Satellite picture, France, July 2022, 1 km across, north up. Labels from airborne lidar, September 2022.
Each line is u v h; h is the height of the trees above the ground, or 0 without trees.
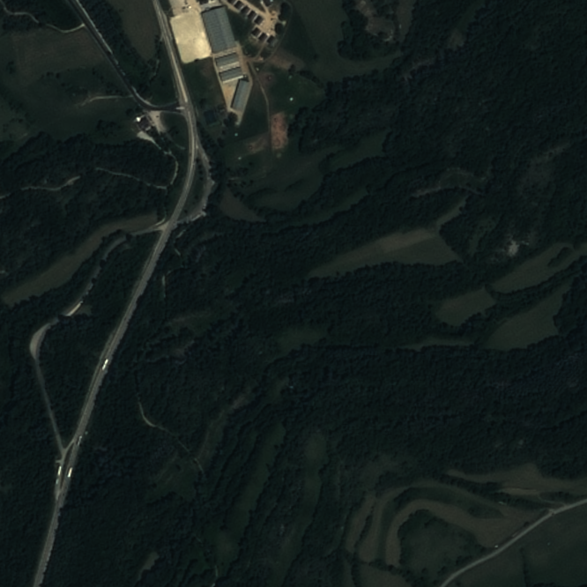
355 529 0
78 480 19
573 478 14
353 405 18
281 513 6
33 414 13
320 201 10
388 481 7
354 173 21
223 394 7
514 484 0
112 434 10
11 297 0
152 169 6
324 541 6
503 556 0
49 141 22
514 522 0
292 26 0
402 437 13
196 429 6
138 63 8
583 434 11
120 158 6
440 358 15
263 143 0
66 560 9
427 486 0
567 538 0
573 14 7
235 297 21
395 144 13
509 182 8
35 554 6
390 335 16
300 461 7
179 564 14
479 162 10
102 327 9
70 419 13
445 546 0
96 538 12
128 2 0
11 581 10
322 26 0
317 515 11
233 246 7
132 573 15
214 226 17
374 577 0
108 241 12
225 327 26
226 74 0
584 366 22
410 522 6
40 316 13
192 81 0
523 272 0
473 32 17
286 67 0
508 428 13
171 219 0
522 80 11
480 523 0
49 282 0
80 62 0
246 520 0
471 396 14
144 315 7
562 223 10
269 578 6
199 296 6
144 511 11
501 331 0
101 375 0
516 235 6
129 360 7
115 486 19
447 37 12
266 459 0
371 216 14
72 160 8
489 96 9
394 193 14
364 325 14
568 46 11
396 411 16
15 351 17
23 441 10
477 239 0
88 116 0
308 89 0
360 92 18
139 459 17
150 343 13
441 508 0
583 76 10
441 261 0
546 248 6
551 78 11
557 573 0
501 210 9
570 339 17
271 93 0
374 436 6
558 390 25
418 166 8
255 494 0
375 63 0
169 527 8
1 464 9
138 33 0
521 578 0
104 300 11
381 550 0
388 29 0
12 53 0
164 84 10
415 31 6
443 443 6
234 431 13
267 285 11
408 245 0
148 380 8
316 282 22
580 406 16
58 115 0
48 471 17
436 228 0
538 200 7
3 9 6
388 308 14
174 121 0
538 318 0
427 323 18
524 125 12
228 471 11
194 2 0
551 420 16
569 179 12
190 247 17
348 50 20
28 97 0
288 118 0
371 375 16
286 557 0
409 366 18
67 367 10
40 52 0
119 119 0
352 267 0
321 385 18
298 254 19
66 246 8
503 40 11
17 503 10
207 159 0
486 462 7
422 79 11
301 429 7
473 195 20
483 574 0
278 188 0
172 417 13
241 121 0
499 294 8
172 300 13
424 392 9
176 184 7
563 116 16
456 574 0
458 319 0
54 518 0
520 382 26
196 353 19
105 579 17
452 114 10
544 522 0
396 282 19
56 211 8
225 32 0
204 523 15
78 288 18
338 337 8
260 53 0
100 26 13
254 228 21
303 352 16
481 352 10
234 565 13
